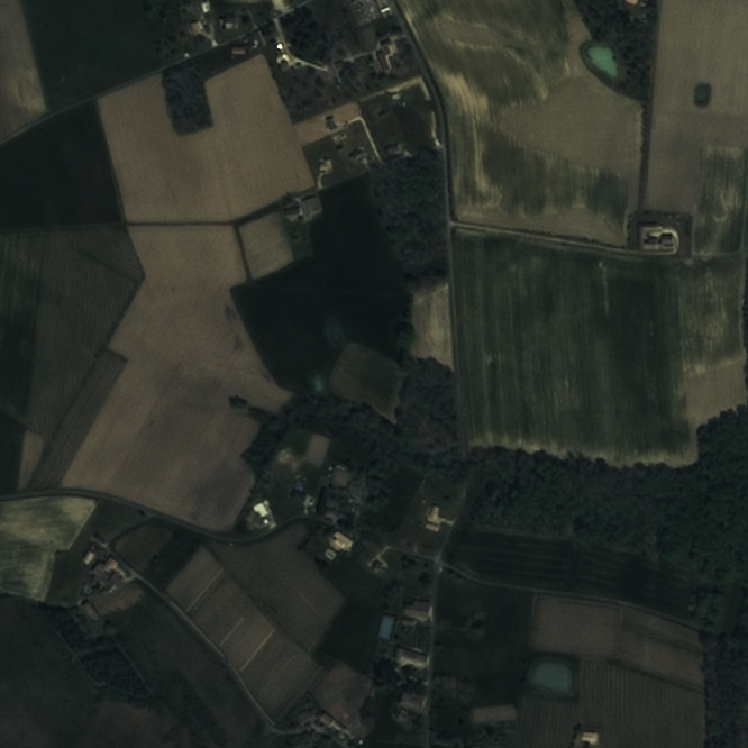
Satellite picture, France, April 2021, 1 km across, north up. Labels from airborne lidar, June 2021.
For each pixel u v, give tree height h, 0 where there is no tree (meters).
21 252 0
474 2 0
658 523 21
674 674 0
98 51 0
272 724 0
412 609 0
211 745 0
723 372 0
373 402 0
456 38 0
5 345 0
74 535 0
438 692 7
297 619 0
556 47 0
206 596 0
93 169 0
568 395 0
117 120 0
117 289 0
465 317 0
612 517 22
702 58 0
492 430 0
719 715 16
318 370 0
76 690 0
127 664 13
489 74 0
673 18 0
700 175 0
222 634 0
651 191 0
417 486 0
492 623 0
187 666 0
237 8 0
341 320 0
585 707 0
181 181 0
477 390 0
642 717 0
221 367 0
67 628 13
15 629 0
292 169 0
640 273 0
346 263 0
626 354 0
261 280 0
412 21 0
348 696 0
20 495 0
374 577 0
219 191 0
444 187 19
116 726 0
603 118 0
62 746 0
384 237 0
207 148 0
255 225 0
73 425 0
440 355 0
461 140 0
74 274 0
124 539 0
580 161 0
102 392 0
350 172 0
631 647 0
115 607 0
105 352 0
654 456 0
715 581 17
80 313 0
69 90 0
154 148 0
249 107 0
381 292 0
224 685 0
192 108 16
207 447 0
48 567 0
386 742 0
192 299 0
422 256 18
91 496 0
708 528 24
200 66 7
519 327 0
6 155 0
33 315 0
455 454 9
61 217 0
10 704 0
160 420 0
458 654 0
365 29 0
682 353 0
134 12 0
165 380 0
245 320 0
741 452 16
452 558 0
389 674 13
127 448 0
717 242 0
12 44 0
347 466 6
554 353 0
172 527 0
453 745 16
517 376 0
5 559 0
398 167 17
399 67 14
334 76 13
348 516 8
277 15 0
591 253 0
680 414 0
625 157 0
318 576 0
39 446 0
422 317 0
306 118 0
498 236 0
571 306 0
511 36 0
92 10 0
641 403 0
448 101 0
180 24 7
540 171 0
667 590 0
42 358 0
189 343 0
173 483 0
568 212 0
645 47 12
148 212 0
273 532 0
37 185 0
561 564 0
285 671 0
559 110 0
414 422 18
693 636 0
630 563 0
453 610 0
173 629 0
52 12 0
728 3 0
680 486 17
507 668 0
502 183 0
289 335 0
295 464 0
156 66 0
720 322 0
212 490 0
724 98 0
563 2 0
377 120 0
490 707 0
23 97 0
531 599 0
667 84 0
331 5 14
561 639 0
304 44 12
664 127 0
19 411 0
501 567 0
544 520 15
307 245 0
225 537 0
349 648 0
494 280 0
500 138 0
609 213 0
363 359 0
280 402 0
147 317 0
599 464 12
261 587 0
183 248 0
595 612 0
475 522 13
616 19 9
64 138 0
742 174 0
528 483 24
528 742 0
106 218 0
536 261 0
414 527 0
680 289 0
